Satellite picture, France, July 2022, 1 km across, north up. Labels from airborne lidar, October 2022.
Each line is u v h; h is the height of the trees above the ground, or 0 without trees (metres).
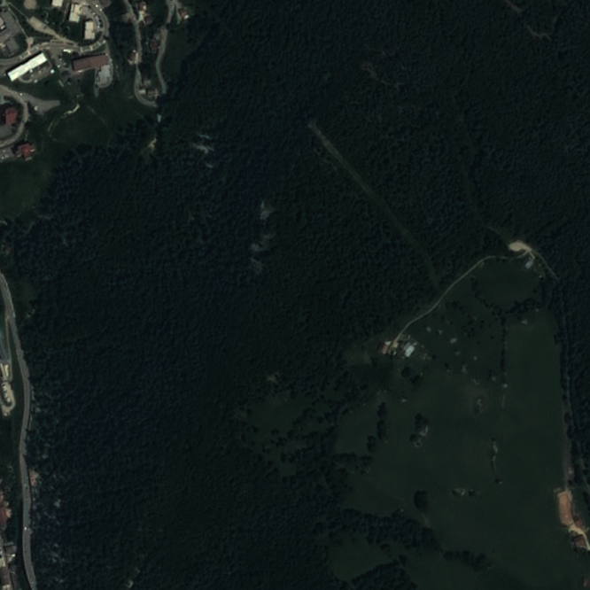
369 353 0
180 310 23
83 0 0
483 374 0
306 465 22
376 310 14
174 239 22
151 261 22
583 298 24
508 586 0
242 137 20
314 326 24
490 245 23
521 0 21
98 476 11
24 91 0
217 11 12
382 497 0
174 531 16
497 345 0
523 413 0
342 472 15
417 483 0
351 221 19
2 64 0
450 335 0
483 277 0
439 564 0
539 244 15
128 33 25
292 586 26
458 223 13
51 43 0
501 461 0
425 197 17
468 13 29
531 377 0
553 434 0
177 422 26
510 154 24
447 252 14
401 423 0
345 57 18
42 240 31
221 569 23
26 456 0
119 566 15
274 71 23
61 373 18
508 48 20
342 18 21
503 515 0
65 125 0
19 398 0
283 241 13
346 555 0
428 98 22
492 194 22
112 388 22
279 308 21
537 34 21
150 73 26
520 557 0
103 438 19
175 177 19
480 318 0
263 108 22
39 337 22
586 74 24
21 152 0
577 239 31
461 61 22
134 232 24
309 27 25
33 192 0
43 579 11
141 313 17
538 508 0
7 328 0
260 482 23
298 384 17
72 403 22
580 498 0
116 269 22
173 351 19
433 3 23
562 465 0
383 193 19
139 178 32
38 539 8
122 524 18
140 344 19
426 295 8
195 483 23
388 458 0
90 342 21
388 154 15
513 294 0
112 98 0
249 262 10
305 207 18
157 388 18
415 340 0
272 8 28
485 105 23
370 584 19
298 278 21
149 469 18
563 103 21
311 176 16
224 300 23
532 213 26
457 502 0
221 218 23
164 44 0
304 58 25
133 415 22
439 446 0
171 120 27
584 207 19
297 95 21
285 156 19
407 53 26
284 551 24
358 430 0
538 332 0
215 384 20
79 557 13
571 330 15
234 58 26
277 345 24
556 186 21
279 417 0
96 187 31
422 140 21
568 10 21
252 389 21
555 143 19
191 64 29
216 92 23
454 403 0
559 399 0
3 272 7
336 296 23
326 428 0
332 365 32
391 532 20
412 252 8
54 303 23
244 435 11
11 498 7
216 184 22
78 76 0
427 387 0
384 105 22
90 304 36
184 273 21
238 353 24
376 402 0
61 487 12
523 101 25
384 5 27
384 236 26
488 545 0
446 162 22
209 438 21
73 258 26
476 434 0
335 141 13
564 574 0
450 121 27
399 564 20
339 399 0
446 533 0
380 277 21
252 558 27
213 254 20
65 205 29
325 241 21
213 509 27
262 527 21
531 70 18
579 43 23
